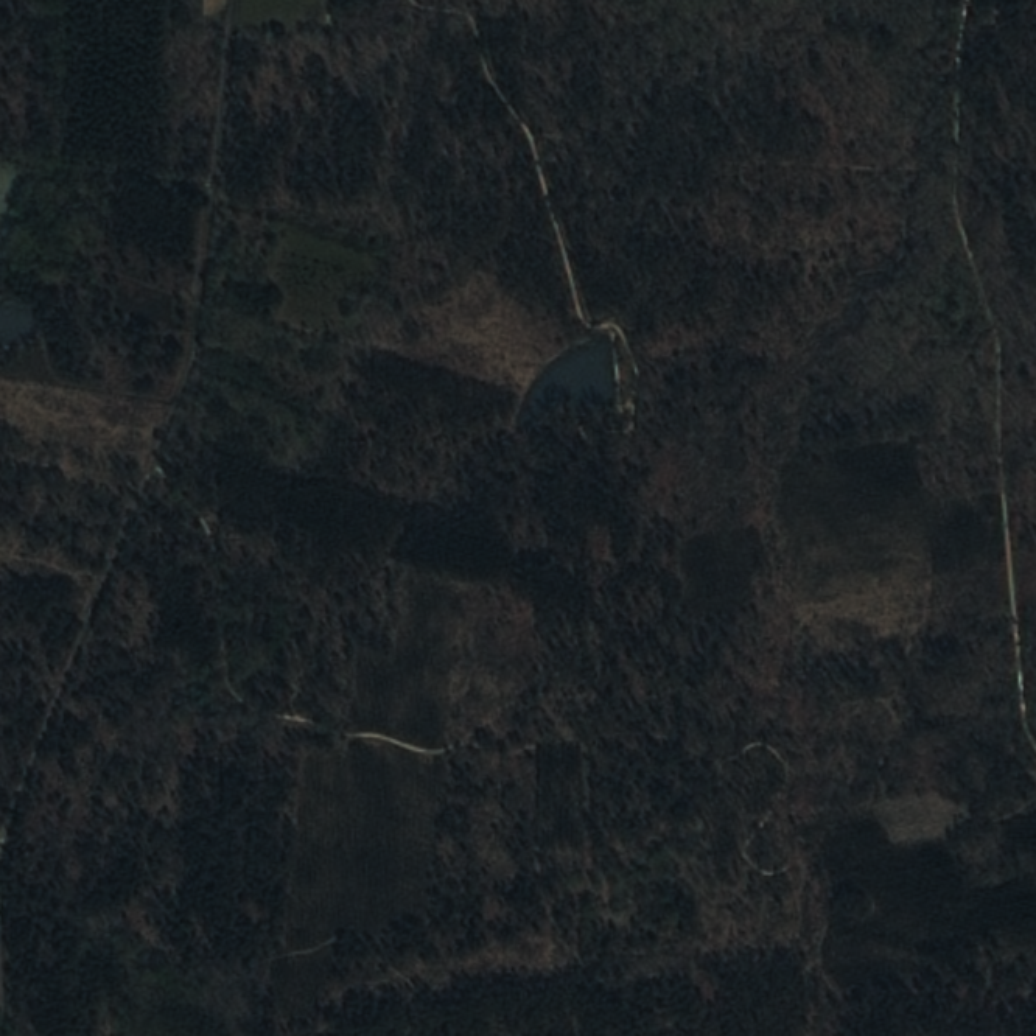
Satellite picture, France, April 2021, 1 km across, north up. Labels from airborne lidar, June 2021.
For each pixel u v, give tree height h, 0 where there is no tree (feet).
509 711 19
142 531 63
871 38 69
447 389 54
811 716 22
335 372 48
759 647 60
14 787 32
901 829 0
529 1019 73
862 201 86
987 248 45
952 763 21
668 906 49
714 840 39
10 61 30
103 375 33
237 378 29
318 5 0
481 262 33
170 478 50
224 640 40
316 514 45
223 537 41
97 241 42
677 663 78
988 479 31
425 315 27
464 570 44
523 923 41
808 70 50
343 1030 61
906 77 74
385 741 0
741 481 25
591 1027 74
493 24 50
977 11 31
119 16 60
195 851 44
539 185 36
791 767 40
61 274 65
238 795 36
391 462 52
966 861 42
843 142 41
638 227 65
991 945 50
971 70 75
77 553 37
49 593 58
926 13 81
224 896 52
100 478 0
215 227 43
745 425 22
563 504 45
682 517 25
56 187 47
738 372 42
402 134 30
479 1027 74
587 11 21
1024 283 40
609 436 39
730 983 75
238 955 51
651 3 55
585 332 63
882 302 38
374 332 56
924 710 30
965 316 47
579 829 29
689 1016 70
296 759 33
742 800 37
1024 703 33
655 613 39
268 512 31
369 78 47
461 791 37
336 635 28
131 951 68
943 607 27
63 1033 57
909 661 71
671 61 47
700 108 52
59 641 52
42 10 65
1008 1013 55
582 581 47
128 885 45
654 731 24
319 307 0
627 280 37
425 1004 51
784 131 52
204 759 48
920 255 58
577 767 35
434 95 53
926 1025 51
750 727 49
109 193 42
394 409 34
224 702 43
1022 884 21
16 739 41
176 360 50
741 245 52
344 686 22
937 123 56
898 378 40
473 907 39
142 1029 49
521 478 28
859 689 78
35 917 46
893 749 25
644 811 31
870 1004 47
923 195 59
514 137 52
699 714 29
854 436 55
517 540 42
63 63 61
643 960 38
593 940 48
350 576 45
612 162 71
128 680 46
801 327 23
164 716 47
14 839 44
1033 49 41
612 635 49
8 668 35
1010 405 44
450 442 58
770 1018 83
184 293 50
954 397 43
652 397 28
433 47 42
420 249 27
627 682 47
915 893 20
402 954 38
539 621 34
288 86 31
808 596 0
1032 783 53
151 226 44
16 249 75
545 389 0
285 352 48
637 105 34
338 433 56
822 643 22
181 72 39
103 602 45
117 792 24
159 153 52
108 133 60
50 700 25
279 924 38
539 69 28
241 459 54
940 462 33
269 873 38
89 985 52
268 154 57
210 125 37
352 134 72
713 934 27
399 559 40
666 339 37
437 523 39
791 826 27
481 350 24
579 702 64
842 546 0
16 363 33
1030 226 61
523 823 41
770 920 27
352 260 0
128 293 0
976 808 32
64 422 0
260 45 39
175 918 41
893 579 0
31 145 44
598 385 0
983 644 28
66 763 44
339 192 66
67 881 47
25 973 40
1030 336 65
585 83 68
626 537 49
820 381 24
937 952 47
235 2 0
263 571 47
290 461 51
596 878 38
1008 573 0
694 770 58
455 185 66
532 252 62
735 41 41
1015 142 52
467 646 18
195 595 51
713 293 61
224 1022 50
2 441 55
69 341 62
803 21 53
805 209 38
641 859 61
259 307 36
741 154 42
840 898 40
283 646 40
